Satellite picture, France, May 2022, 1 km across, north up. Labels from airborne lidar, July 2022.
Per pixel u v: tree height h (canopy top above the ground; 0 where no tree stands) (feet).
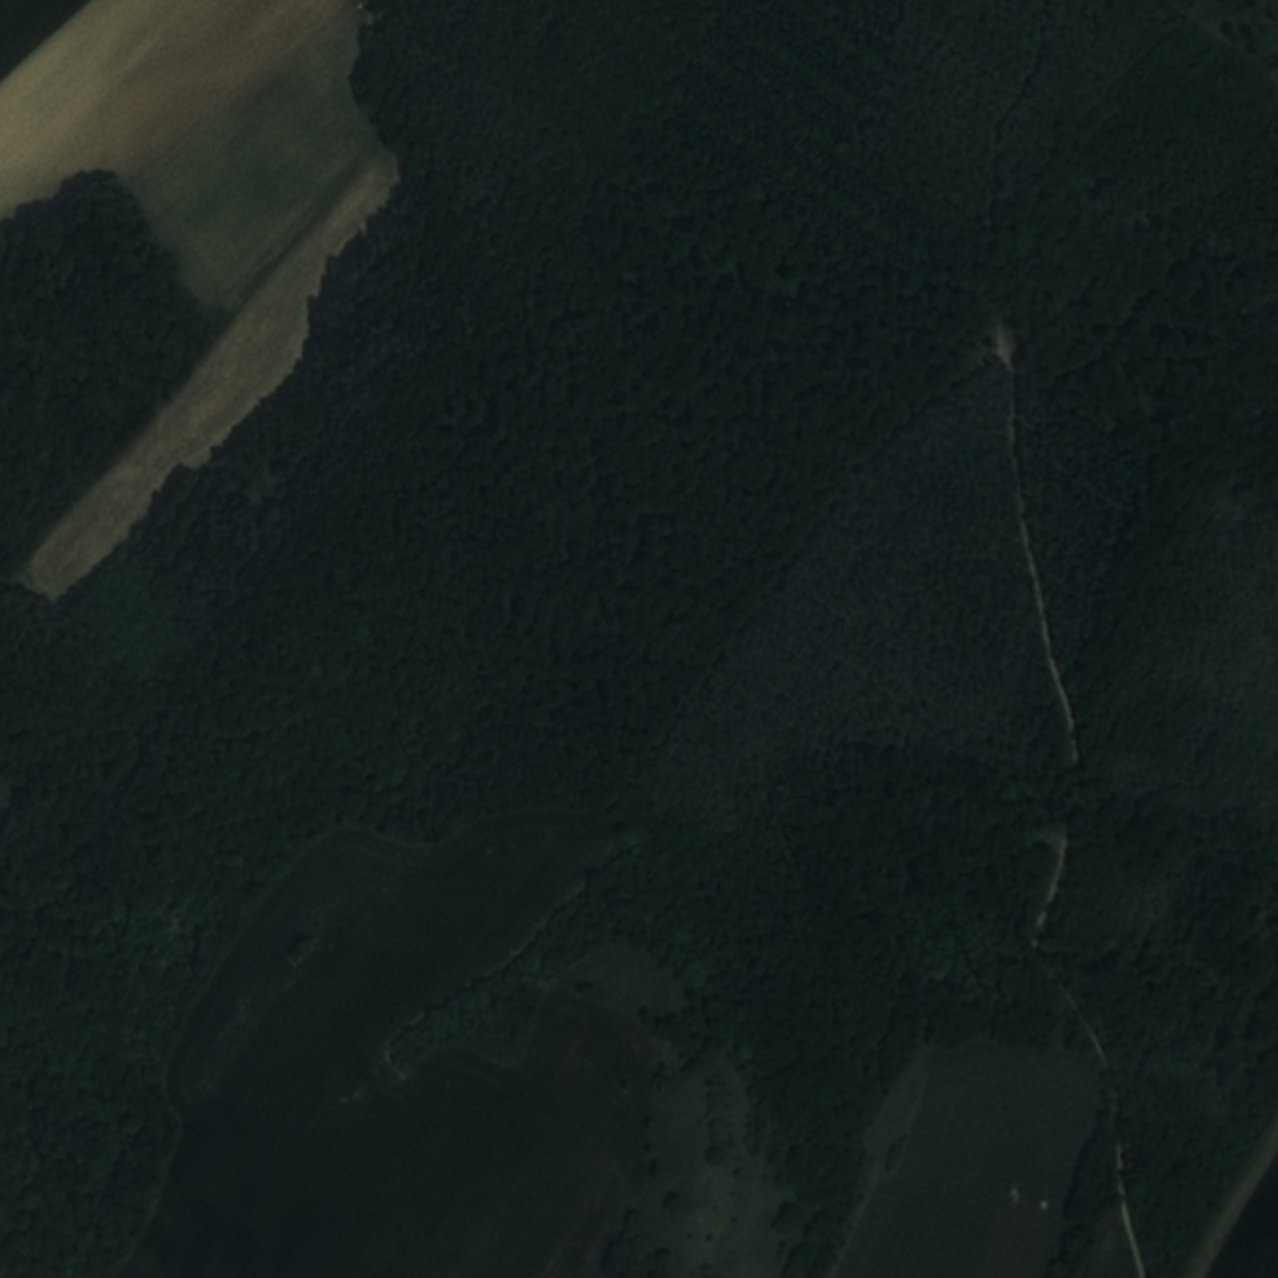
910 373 70
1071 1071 0
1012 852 41
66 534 0
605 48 51
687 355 76
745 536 61
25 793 78
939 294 85
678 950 37
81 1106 51
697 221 73
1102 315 73
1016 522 34
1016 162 50
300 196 0
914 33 54
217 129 0
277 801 55
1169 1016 65
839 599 46
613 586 78
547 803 41
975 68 48
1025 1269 0
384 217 53
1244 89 48
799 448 75
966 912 65
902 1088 0
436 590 58
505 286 65
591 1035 0
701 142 47
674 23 58
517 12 37
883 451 55
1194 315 71
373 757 49
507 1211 0
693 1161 0
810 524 49
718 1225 0
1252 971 86
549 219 55
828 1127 65
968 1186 0
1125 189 34
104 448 55
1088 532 48
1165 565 32
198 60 0
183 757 69
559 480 74
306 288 0
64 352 77
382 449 73
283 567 80
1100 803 52
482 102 58
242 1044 0
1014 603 40
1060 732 52
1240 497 27
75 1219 52
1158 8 51
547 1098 0
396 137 56
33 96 0
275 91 0
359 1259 0
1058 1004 59
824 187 44
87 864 58
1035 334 69
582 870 0
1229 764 21
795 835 96
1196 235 42
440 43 52
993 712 36
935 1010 75
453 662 45
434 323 69
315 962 0
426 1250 0
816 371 88
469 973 0
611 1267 44
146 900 51
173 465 0
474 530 71
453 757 43
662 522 71
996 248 75
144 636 69
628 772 47
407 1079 0
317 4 0
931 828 87
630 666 76
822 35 38
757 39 49
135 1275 0
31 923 59
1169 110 46
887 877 90
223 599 57
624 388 69
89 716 70
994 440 50
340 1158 0
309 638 60
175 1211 0
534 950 28
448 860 0
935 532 46
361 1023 0
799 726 41
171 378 63
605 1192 0
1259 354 78
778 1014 80
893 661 55
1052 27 58
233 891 47
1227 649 20
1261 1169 0
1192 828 50
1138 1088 64
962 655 32
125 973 58
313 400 52
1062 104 43
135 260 80
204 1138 0
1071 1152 0
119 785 61
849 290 81
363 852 0
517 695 70
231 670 75
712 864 41
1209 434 74
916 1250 0
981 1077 0
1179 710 45
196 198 0
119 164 0
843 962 71
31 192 0
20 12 0
